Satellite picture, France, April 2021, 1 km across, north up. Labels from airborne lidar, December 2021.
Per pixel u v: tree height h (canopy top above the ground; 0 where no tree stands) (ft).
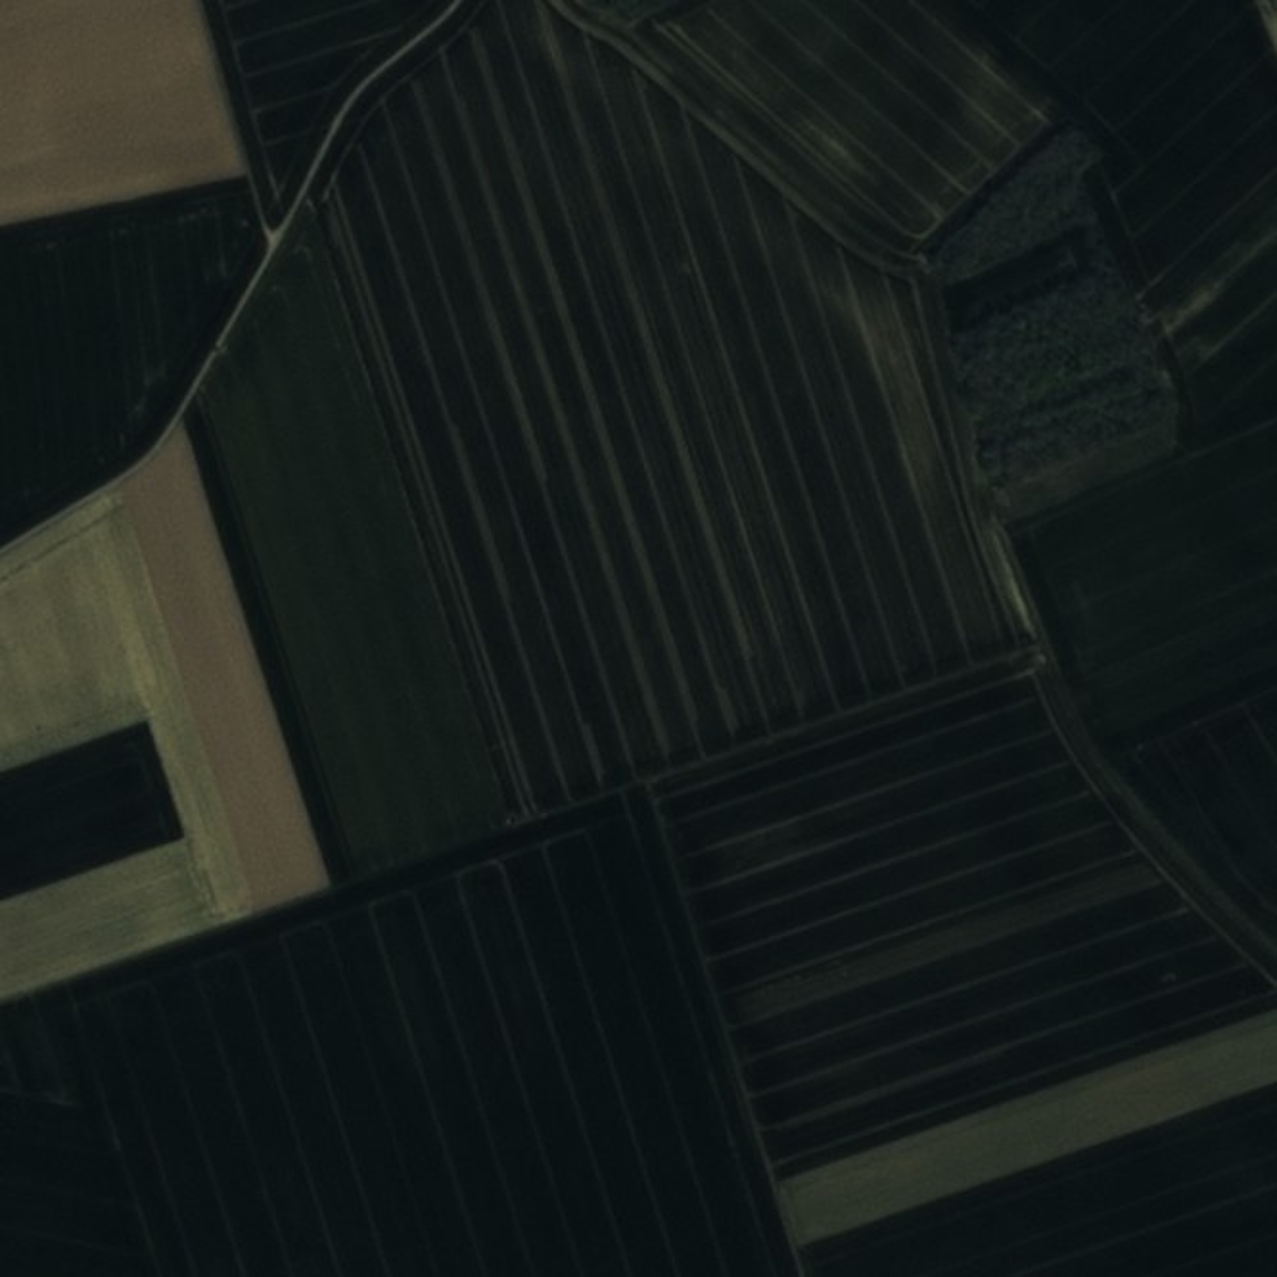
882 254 0
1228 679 0
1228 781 0
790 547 0
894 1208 0
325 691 0
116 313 0
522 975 0
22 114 0
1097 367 64
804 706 0
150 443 0
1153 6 0
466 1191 0
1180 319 0
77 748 0
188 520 0
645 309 0
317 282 0
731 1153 0
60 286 0
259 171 0
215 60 0
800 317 0
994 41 0
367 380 0
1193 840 0
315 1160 0
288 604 0
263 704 0
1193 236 0
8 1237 0
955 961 0
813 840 0
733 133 0
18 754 0
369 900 0
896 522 0
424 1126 0
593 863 0
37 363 0
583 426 0
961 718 0
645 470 0
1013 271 0
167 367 0
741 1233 0
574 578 0
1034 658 0
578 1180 0
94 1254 0
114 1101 0
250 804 0
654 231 0
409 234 0
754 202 0
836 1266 0
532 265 0
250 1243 0
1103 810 0
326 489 0
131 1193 0
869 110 0
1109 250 33
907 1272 0
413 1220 0
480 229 0
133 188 0
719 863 0
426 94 0
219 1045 0
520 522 0
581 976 0
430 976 0
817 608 0
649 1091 0
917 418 0
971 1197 0
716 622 0
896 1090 0
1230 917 0
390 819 0
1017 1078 0
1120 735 0
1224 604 0
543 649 0
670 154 0
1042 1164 0
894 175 0
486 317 0
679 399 0
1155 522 0
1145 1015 0
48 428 0
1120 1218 0
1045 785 0
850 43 0
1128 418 59
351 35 0
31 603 0
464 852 0
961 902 0
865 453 0
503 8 0
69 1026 0
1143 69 0
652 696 0
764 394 0
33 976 0
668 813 0
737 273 0
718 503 0
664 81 0
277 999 0
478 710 0
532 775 0
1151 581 0
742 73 0
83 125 0
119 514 0
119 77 0
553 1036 0
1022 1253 0
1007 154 0
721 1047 0
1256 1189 0
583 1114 0
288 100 0
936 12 0
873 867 0
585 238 0
